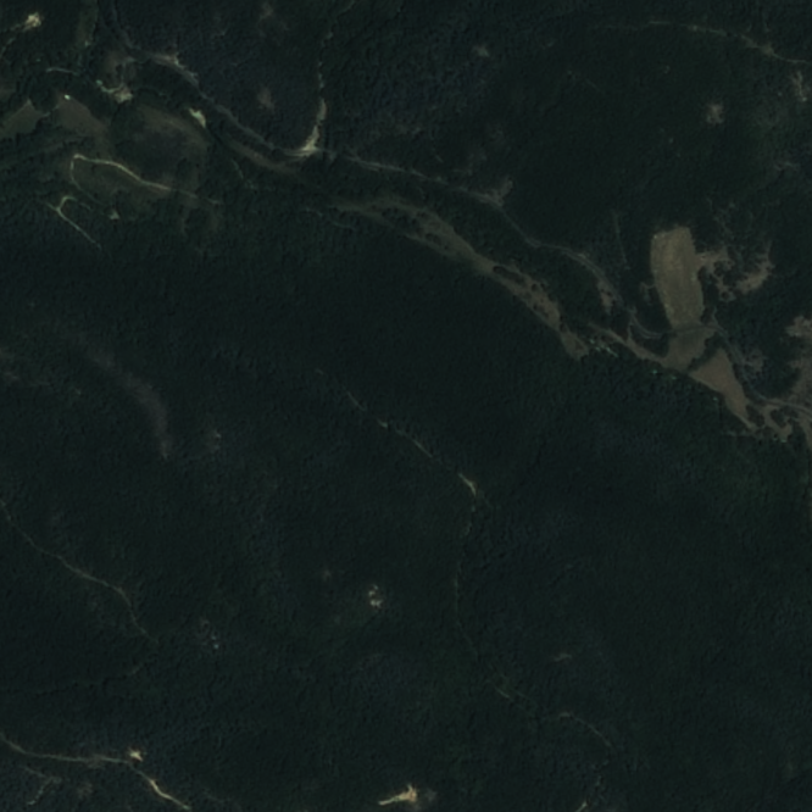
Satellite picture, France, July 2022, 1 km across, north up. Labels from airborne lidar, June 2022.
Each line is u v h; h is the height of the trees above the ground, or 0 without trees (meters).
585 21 9
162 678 12
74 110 0
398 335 12
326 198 12
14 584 12
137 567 8
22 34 12
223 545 15
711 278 7
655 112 13
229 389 10
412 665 9
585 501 14
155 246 7
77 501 9
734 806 11
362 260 13
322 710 7
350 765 10
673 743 9
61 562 8
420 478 10
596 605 12
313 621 12
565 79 7
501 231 9
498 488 11
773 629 8
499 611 9
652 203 7
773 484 10
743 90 5
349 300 17
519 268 9
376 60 8
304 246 6
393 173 8
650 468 15
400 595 11
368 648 9
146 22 8
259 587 10
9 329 11
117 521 10
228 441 10
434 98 9
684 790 10
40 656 18
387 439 11
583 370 11
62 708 12
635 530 17
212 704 9
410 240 13
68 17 11
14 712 11
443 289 13
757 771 12
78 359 11
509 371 11
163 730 13
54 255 15
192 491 13
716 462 9
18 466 10
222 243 8
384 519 7
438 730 6
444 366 14
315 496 12
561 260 12
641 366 13
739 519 10
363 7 16
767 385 15
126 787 8
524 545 10
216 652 13
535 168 11
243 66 12
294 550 9
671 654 11
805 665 10
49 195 8
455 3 13
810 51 8
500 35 9
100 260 13
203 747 10
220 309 16
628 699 9
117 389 8
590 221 9
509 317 10
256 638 12
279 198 11
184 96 13
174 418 9
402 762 7
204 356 13
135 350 13
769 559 17
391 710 9
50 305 11
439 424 17
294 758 12
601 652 10
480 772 9
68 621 17
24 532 11
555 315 0
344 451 12
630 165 8
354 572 7
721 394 10
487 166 9
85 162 0
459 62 6
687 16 8
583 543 11
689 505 13
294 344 15
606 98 10
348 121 14
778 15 9
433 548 14
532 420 9
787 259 9
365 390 14
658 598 12
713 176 10
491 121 11
